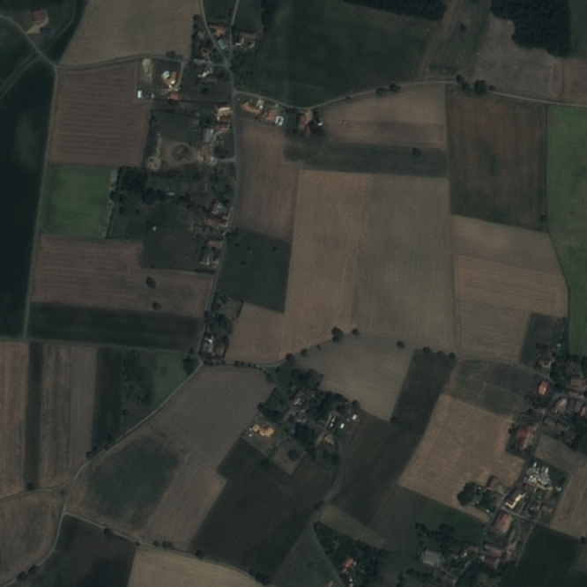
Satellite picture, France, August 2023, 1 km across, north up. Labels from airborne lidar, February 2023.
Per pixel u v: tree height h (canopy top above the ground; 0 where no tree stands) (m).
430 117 0
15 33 0
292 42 0
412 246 0
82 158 0
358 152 0
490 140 0
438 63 0
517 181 0
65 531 0
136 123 0
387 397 0
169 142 0
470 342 0
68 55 0
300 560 0
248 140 0
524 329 0
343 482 0
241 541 0
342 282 0
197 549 0
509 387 0
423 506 0
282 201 0
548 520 0
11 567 0
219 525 0
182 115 0
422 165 0
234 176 0
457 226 0
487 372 0
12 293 0
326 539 7
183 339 0
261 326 0
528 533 0
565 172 0
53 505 0
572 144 0
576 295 0
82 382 0
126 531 0
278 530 0
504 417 0
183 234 0
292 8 0
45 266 0
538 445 0
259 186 0
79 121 0
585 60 0
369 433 0
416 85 0
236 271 0
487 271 0
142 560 0
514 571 0
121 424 0
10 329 0
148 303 0
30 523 0
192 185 0
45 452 0
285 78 0
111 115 0
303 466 0
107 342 0
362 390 0
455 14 0
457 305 0
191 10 0
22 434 0
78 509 0
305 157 0
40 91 0
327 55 0
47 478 0
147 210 0
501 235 0
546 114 0
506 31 0
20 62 0
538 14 23
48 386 0
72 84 0
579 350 0
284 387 0
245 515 0
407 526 0
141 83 0
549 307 0
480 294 0
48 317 0
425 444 0
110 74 0
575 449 11
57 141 0
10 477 0
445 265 0
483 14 0
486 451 0
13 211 0
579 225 0
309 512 0
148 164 0
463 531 0
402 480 0
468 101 0
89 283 0
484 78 0
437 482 0
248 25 0
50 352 0
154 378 0
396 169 0
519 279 0
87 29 0
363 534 0
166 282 0
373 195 0
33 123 0
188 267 0
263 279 0
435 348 0
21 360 0
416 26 0
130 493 0
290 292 0
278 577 0
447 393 0
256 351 0
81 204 0
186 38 0
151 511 0
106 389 0
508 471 0
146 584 0
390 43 0
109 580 0
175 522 0
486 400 0
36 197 0
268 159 0
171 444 0
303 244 0
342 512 0
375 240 0
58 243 0
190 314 0
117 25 0
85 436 0
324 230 0
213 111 0
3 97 0
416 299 0
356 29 0
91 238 0
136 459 0
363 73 0
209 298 0
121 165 0
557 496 0
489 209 0
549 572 0
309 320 0
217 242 0
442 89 0
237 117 0
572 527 0
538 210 0
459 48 0
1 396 0
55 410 0
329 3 0
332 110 0
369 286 0
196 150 0
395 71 0
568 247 0
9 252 0
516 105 0
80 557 0
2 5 0
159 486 0
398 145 0
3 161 0
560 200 0
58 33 0
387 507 0
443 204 0
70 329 0
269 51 0
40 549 0
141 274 0
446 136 0
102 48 0
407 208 0
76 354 0
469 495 13
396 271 0
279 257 0
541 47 10
